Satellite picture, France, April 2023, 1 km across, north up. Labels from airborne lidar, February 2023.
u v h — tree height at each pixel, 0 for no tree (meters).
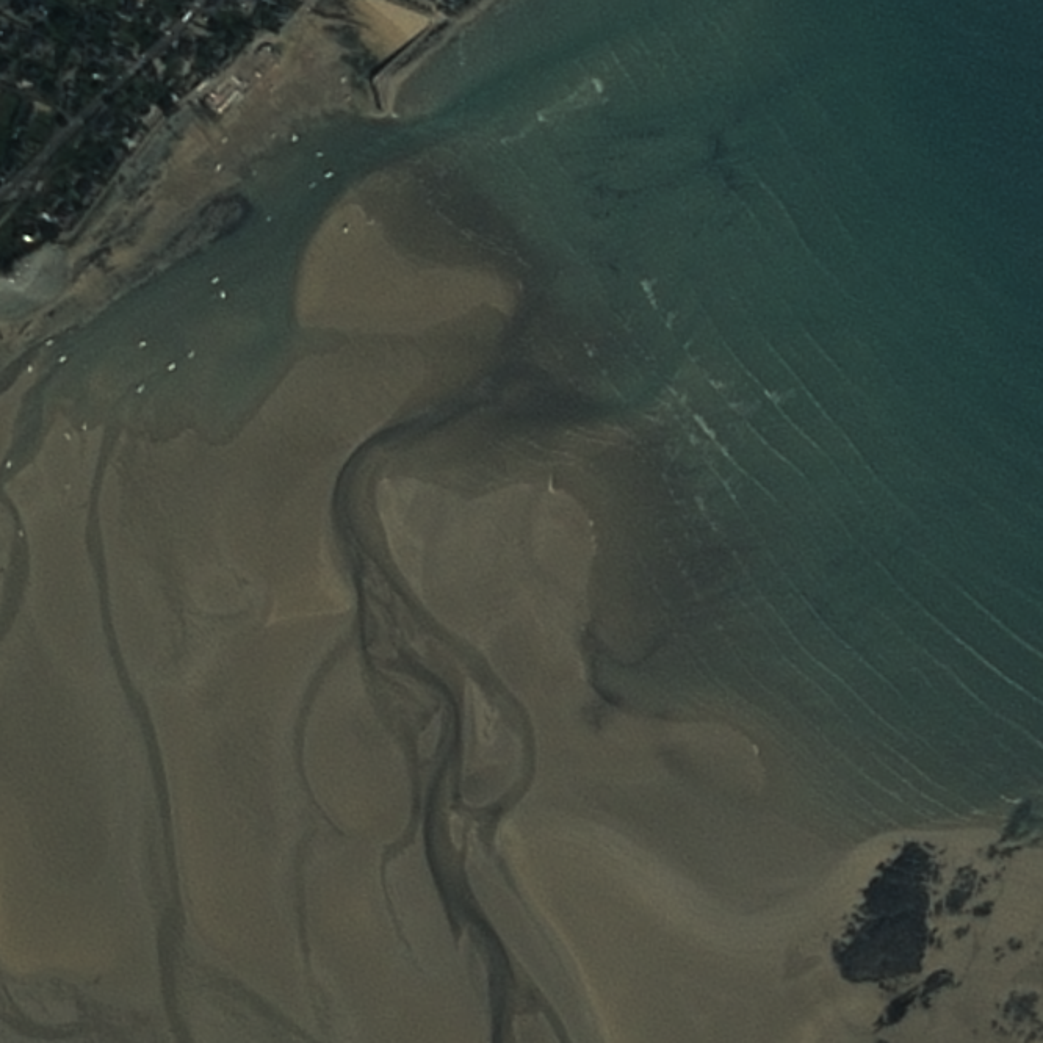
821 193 0
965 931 0
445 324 0
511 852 0
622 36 0
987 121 0
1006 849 0
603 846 0
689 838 0
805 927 0
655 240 0
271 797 0
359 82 0
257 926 0
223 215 0
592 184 0
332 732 0
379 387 0
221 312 0
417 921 0
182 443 0
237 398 0
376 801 0
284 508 0
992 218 0
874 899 0
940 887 0
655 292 0
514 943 0
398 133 0
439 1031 0
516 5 0
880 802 0
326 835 0
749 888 0
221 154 0
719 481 0
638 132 0
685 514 0
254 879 0
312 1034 0
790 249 0
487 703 0
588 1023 0
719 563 0
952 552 0
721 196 0
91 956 0
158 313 0
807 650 0
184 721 0
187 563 0
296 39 0
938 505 0
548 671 0
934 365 0
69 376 0
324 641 0
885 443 0
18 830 0
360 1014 0
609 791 0
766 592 0
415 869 0
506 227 0
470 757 0
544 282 0
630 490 0
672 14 0
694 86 0
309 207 0
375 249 0
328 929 0
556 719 0
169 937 0
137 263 0
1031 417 0
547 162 0
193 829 0
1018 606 0
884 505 0
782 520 0
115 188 0
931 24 0
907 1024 0
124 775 0
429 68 0
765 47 0
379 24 0
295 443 0
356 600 0
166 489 0
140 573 0
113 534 0
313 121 0
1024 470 0
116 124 6
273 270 0
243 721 0
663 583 0
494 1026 0
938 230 0
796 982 0
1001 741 0
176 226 0
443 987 0
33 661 0
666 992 0
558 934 0
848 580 0
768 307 0
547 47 0
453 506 0
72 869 0
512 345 0
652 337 0
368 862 0
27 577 0
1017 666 0
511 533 0
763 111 0
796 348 0
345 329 0
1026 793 0
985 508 0
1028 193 0
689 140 0
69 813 0
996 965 0
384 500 0
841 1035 0
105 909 0
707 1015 0
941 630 0
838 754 0
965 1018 0
